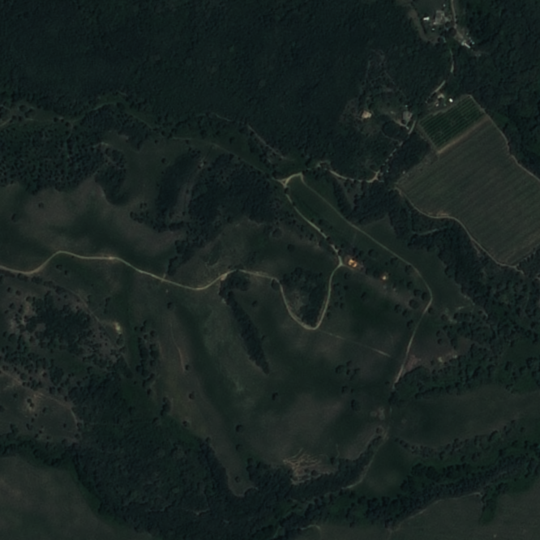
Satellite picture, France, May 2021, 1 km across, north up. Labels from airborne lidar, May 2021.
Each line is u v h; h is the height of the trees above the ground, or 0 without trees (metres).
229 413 0
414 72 6
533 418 0
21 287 0
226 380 0
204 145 0
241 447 10
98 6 12
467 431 0
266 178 12
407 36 6
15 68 12
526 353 0
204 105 7
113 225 0
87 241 0
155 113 7
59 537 0
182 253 11
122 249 0
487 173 0
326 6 9
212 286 0
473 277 20
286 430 0
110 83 11
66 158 11
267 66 9
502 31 12
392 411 0
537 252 8
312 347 0
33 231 0
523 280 12
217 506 13
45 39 8
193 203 11
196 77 7
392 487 0
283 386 0
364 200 9
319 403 0
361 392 0
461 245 14
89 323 8
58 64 8
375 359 0
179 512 13
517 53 15
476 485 9
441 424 0
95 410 10
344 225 0
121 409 6
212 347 0
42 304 10
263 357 9
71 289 0
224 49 9
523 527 0
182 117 7
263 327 0
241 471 0
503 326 13
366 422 0
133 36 14
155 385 0
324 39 7
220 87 8
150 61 12
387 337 0
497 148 0
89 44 10
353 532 0
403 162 11
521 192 0
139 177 0
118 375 12
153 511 7
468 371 15
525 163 15
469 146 0
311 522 9
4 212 0
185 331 0
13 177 10
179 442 6
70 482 0
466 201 0
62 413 0
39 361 11
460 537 0
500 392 0
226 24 5
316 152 10
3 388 0
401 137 13
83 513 0
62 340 12
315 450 0
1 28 8
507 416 0
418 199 0
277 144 13
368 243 0
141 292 0
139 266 0
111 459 6
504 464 8
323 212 0
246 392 0
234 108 7
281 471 9
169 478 9
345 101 6
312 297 7
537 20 6
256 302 9
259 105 8
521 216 0
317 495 17
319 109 6
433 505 0
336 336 0
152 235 0
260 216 7
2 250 0
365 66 7
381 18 7
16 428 8
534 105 8
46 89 10
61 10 9
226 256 0
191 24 9
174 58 8
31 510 0
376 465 0
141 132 8
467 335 9
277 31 8
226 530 17
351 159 6
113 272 0
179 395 0
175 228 9
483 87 12
